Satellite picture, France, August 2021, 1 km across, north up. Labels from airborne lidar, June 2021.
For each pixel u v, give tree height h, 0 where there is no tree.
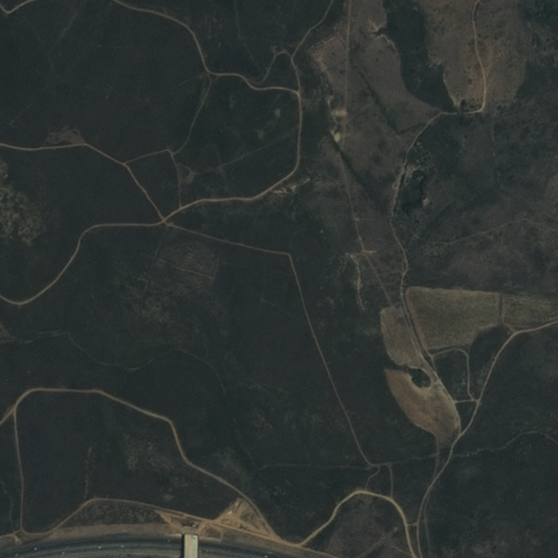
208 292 0
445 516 0
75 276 0
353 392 0
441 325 0
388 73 0
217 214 0
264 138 0
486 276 0
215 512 0
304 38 0
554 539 0
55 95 0
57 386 0
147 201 0
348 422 0
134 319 0
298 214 0
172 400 0
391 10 0
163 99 0
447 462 0
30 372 0
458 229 0
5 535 0
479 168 0
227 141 0
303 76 0
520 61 0
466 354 0
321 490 0
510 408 0
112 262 0
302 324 0
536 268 0
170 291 0
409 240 0
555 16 7
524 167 0
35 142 0
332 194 0
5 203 0
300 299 0
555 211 0
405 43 0
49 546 0
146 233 0
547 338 0
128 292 0
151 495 0
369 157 0
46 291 0
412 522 0
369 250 0
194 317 0
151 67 0
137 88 0
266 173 0
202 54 0
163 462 0
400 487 0
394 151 0
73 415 0
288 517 0
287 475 0
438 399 0
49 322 0
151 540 0
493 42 0
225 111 0
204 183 0
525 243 0
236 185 0
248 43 0
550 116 0
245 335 0
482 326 0
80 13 0
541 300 0
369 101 0
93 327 0
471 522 0
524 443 0
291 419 0
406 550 0
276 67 0
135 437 0
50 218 0
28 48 0
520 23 0
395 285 0
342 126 0
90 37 0
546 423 0
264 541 0
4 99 0
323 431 0
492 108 0
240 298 0
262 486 0
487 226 0
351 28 0
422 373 10
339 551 0
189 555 0
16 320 0
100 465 0
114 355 0
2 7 0
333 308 0
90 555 0
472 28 0
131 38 0
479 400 0
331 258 0
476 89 0
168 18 0
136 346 0
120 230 0
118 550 0
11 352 0
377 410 0
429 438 0
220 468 0
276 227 0
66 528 0
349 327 0
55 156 0
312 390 0
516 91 0
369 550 0
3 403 0
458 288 0
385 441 0
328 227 0
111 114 0
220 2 0
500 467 0
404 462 0
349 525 0
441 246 0
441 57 0
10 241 0
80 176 0
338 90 0
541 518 0
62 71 0
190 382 0
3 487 0
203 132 0
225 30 0
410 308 0
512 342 0
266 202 0
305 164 0
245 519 0
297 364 0
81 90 0
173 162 0
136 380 0
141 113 0
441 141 0
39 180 0
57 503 0
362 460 0
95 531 0
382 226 0
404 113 0
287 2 0
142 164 0
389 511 0
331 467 0
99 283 0
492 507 0
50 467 0
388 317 0
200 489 0
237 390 0
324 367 0
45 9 0
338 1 0
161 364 0
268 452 0
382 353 0
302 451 0
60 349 0
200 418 0
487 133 0
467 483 0
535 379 0
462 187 0
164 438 0
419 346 0
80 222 0
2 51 0
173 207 0
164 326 0
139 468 0
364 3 0
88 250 0
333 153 0
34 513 0
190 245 0
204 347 0
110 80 0
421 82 0
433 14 0
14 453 0
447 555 0
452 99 0
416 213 0
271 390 0
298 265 0
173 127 0
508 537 0
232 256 0
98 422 0
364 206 0
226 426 0
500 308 0
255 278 0
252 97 0
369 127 0
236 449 0
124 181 0
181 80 0
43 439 0
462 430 0
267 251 0
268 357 0
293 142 0
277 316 0
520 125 0
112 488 0
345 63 0
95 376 0
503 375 0
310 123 0
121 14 0
